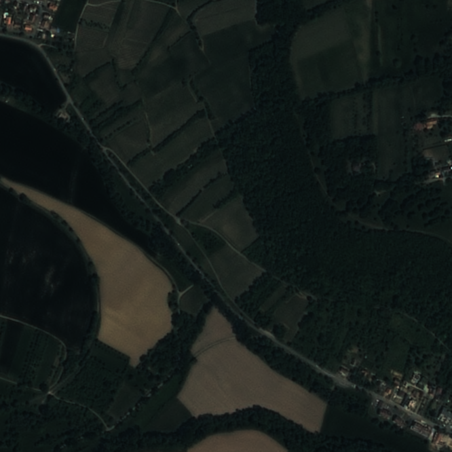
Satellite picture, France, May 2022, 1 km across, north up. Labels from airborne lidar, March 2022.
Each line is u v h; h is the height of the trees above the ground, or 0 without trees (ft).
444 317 57
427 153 0
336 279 51
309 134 47
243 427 45
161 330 0
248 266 0
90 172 0
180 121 0
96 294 0
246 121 42
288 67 43
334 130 0
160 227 50
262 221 44
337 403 80
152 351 21
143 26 0
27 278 0
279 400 0
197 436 75
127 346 0
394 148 0
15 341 0
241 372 0
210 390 0
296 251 52
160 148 19
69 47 25
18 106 0
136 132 0
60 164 0
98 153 48
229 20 0
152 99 0
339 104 0
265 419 77
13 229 0
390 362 0
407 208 37
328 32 0
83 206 0
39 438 0
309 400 0
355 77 0
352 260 39
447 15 0
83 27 0
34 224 0
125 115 0
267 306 0
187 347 38
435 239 26
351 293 55
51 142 0
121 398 0
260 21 49
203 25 0
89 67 0
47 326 0
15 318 0
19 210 0
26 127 0
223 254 0
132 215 38
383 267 45
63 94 0
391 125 0
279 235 50
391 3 0
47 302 0
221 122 0
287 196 56
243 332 81
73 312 0
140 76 0
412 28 0
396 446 0
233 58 0
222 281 0
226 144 40
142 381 0
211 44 0
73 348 0
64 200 0
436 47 0
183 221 36
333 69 0
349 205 38
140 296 0
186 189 0
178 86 0
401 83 45
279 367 79
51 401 30
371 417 0
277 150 49
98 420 23
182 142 0
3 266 0
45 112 69
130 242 0
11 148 0
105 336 0
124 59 0
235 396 0
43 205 0
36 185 0
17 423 46
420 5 0
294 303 0
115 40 0
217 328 0
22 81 0
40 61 0
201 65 0
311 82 0
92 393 19
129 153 0
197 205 0
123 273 0
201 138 0
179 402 0
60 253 0
